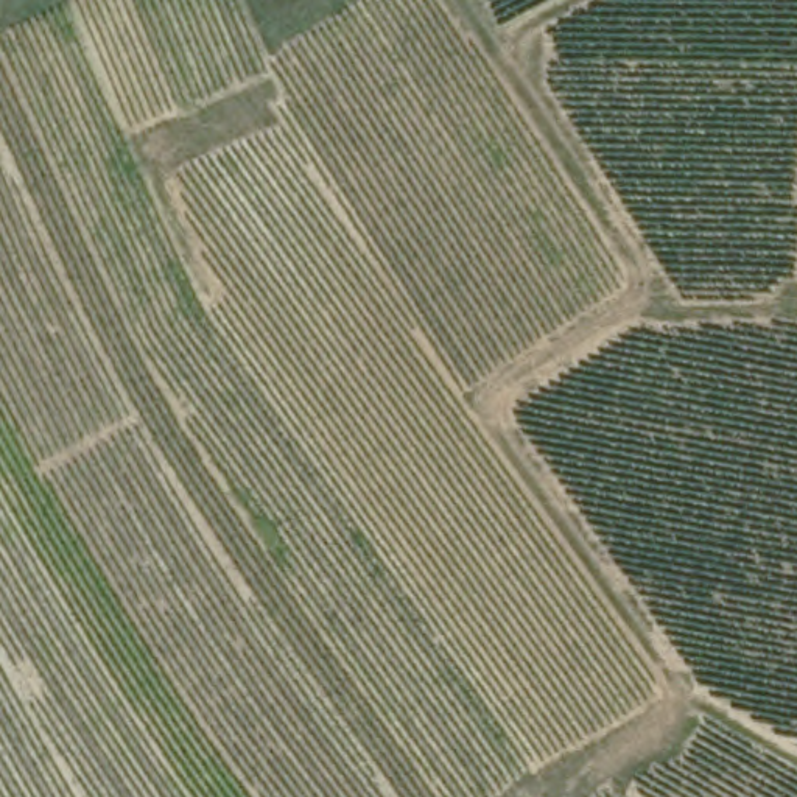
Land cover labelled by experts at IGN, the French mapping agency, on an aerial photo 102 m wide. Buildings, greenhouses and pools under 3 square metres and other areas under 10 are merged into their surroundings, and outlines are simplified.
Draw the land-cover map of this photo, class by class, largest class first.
<instances>
[{"label":"vineyard","instance_id":"1","mask_svg":"<svg viewBox=\"0 0 797 797\"><path fill-rule=\"evenodd\" d=\"M0 797H797V0H355L339 16L318 19L305 34L286 37L271 53L249 12V0H0Z\"/></svg>","mask_w":797,"mask_h":797},{"label":"herbaceous vegetation","instance_id":"2","mask_svg":"<svg viewBox=\"0 0 797 797\"><path fill-rule=\"evenodd\" d=\"M355 0H249V12L271 53L286 37L305 34L318 19L339 16Z\"/></svg>","mask_w":797,"mask_h":797}]
</instances>
